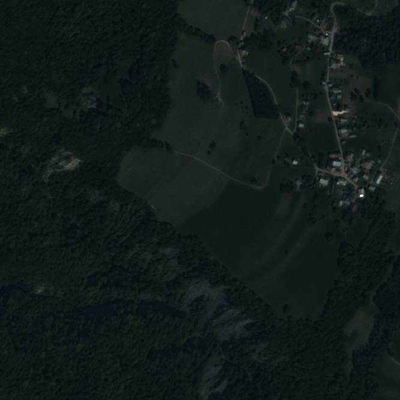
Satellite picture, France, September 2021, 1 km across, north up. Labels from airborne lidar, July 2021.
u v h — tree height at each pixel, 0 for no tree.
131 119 9
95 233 18
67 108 9
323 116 0
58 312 11
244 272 0
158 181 0
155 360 38
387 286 17
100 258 25
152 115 26
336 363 20
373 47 39
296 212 0
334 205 7
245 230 0
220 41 0
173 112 0
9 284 15
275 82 0
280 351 14
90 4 23
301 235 0
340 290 21
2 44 22
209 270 16
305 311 0
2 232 25
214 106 0
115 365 32
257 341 13
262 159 0
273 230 0
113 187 21
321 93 7
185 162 0
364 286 29
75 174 15
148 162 0
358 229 0
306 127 0
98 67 9
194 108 0
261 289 0
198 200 0
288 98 0
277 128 0
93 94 6
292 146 0
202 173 0
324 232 0
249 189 0
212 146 11
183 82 0
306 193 0
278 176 0
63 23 11
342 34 7
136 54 12
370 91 8
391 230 24
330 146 0
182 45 0
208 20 0
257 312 27
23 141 21
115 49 21
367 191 8
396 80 0
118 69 10
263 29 0
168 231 27
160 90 21
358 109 0
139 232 18
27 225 37
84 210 33
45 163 13
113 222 18
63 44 22
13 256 33
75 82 24
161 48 29
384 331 11
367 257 23
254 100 16
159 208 0
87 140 20
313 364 18
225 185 0
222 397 17
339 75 0
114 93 0
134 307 33
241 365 10
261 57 0
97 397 29
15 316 19
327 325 18
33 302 16
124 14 18
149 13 23
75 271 30
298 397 25
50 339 21
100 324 33
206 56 0
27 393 33
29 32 25
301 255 0
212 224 0
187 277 10
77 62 17
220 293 0
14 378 31
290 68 0
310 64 0
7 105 14
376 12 0
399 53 31
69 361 30
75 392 30
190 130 0
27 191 37
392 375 0
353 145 0
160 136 0
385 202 11
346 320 23
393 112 0
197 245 18
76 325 31
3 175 26
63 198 16
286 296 0
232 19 0
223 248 0
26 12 32
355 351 0
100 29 23
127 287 12
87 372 32
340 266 20
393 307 21
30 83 13
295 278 0
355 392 14
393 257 12
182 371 22
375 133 0
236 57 0
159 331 28
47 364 33
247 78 18
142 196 0
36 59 18
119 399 28
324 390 27
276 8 18
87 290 13
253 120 0
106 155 16
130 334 25
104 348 28
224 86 0
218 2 0
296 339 18
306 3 0
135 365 30
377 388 21
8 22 26
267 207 0
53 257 31
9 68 20
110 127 24
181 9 0
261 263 0
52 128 23
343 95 0
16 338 13
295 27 0
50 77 19
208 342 18
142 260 6
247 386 26
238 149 0
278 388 29
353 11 25
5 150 20
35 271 8
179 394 27
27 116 29
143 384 26
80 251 34
